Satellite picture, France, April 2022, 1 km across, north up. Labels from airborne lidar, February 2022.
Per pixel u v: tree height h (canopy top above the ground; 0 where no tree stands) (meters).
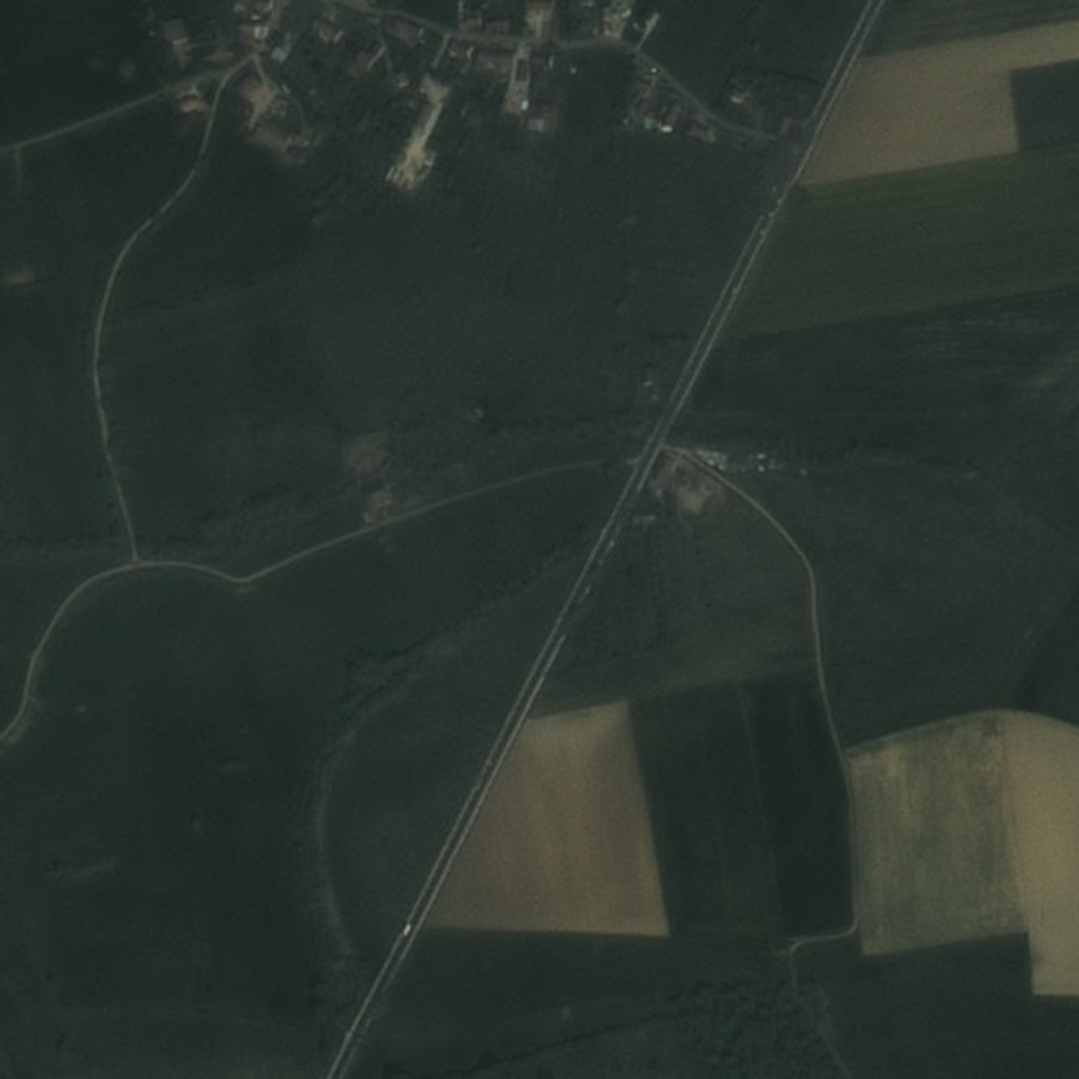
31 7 0
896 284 0
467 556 0
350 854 0
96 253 0
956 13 0
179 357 0
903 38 0
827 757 0
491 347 0
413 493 11
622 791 0
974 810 0
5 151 0
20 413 0
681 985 0
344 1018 16
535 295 0
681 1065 0
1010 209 0
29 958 0
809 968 0
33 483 0
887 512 0
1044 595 0
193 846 0
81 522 0
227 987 0
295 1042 0
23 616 0
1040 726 0
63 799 0
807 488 0
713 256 0
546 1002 0
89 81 0
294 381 0
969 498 0
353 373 0
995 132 0
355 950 0
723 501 0
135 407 0
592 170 0
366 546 0
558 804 0
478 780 0
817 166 0
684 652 0
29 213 0
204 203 0
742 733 0
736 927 0
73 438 0
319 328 0
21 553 14
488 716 0
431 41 7
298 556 0
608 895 0
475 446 18
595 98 0
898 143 0
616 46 0
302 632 0
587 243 0
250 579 0
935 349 0
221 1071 0
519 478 0
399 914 0
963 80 0
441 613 0
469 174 0
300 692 0
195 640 0
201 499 0
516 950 0
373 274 0
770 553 0
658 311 0
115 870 0
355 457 0
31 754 0
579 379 0
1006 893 0
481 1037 0
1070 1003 0
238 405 0
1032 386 0
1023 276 0
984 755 0
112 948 0
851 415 0
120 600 0
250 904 0
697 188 0
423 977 0
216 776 0
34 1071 0
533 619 0
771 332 0
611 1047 0
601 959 0
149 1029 0
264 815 0
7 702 0
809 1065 21
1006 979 0
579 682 0
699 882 0
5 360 0
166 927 0
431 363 0
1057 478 0
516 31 0
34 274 0
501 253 0
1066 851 0
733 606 0
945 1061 0
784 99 6
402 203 0
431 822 0
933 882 0
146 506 0
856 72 0
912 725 0
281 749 0
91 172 0
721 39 0
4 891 0
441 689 0
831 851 0
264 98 0
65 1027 0
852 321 0
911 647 0
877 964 0
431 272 0
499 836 0
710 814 0
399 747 0
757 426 0
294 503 20
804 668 0
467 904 0
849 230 0
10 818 0
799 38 0
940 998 0
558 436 14
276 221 0
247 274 0
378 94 0
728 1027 20
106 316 0
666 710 0
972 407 0
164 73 7
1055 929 0
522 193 0
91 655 0
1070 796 0
